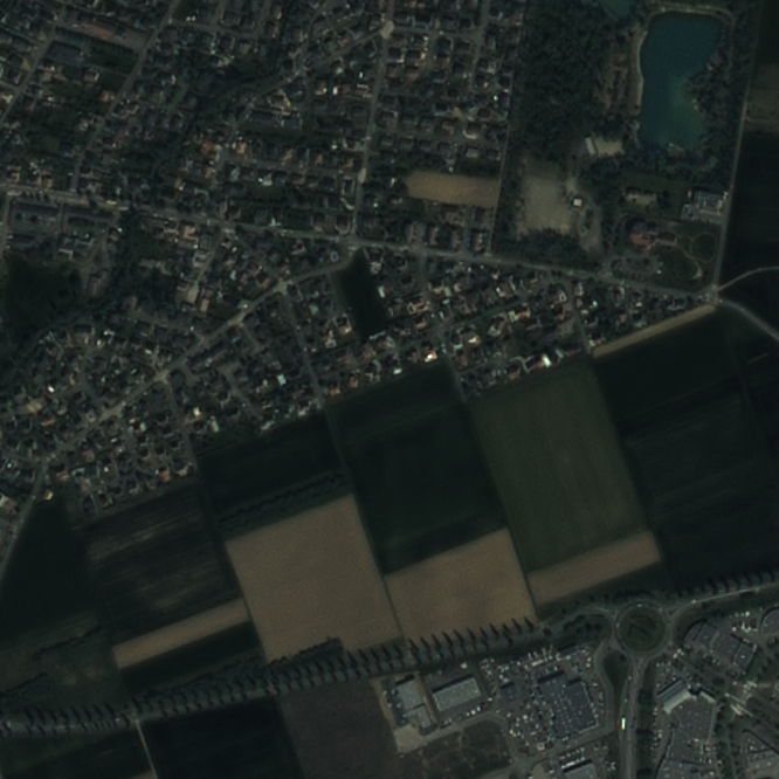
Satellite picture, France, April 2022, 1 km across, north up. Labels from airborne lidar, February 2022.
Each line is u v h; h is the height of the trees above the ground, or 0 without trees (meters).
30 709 0
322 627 0
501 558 0
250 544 0
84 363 0
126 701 0
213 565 0
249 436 0
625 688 0
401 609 0
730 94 9
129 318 7
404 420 0
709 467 0
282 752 0
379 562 0
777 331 0
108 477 0
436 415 0
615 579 0
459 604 0
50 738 0
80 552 0
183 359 0
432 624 0
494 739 0
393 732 0
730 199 0
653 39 0
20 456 0
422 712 0
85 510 7
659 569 0
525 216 0
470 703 0
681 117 0
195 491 0
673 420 0
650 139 0
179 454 0
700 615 0
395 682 0
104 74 0
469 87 0
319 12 0
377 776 0
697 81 8
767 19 0
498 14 0
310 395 5
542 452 0
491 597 0
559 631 0
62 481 0
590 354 0
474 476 0
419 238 0
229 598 0
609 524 0
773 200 0
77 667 0
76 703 0
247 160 0
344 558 0
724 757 8
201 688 10
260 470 0
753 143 0
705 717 0
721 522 0
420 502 0
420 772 0
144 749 0
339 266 0
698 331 0
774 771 0
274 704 0
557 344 7
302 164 0
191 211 8
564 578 0
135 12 8
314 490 5
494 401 0
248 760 0
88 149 0
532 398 0
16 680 0
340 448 0
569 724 0
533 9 14
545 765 0
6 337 10
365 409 0
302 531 0
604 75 17
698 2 22
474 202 0
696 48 0
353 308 0
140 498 0
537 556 0
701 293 0
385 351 0
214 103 14
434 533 0
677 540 0
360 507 0
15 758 0
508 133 0
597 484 0
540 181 0
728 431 0
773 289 0
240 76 24
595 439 0
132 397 0
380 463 0
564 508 0
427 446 0
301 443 0
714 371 0
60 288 0
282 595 0
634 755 0
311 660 5
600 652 0
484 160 0
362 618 0
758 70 0
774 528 0
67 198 0
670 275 0
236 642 0
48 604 0
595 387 0
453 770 0
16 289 0
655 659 0
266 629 0
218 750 0
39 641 0
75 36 8
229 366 0
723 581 0
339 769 0
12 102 0
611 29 19
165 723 0
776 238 0
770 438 0
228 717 0
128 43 0
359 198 0
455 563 0
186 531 0
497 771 0
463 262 0
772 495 0
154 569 0
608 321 7
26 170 0
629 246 7
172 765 0
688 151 0
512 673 0
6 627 0
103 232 0
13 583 0
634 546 0
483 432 0
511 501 0
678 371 0
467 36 0
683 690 0
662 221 0
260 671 6
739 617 0
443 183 0
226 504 0
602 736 0
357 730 0
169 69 6
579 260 7
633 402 0
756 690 0
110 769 0
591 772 0
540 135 22
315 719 0
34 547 0
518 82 14
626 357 0
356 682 0
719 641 0
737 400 0
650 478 0
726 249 0
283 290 0
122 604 0
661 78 0
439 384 0
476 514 0
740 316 0
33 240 0
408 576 0
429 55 0
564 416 0
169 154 15
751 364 0
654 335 0
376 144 0
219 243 0
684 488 0
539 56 14
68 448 0
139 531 0
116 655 0
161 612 0
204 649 0
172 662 0
